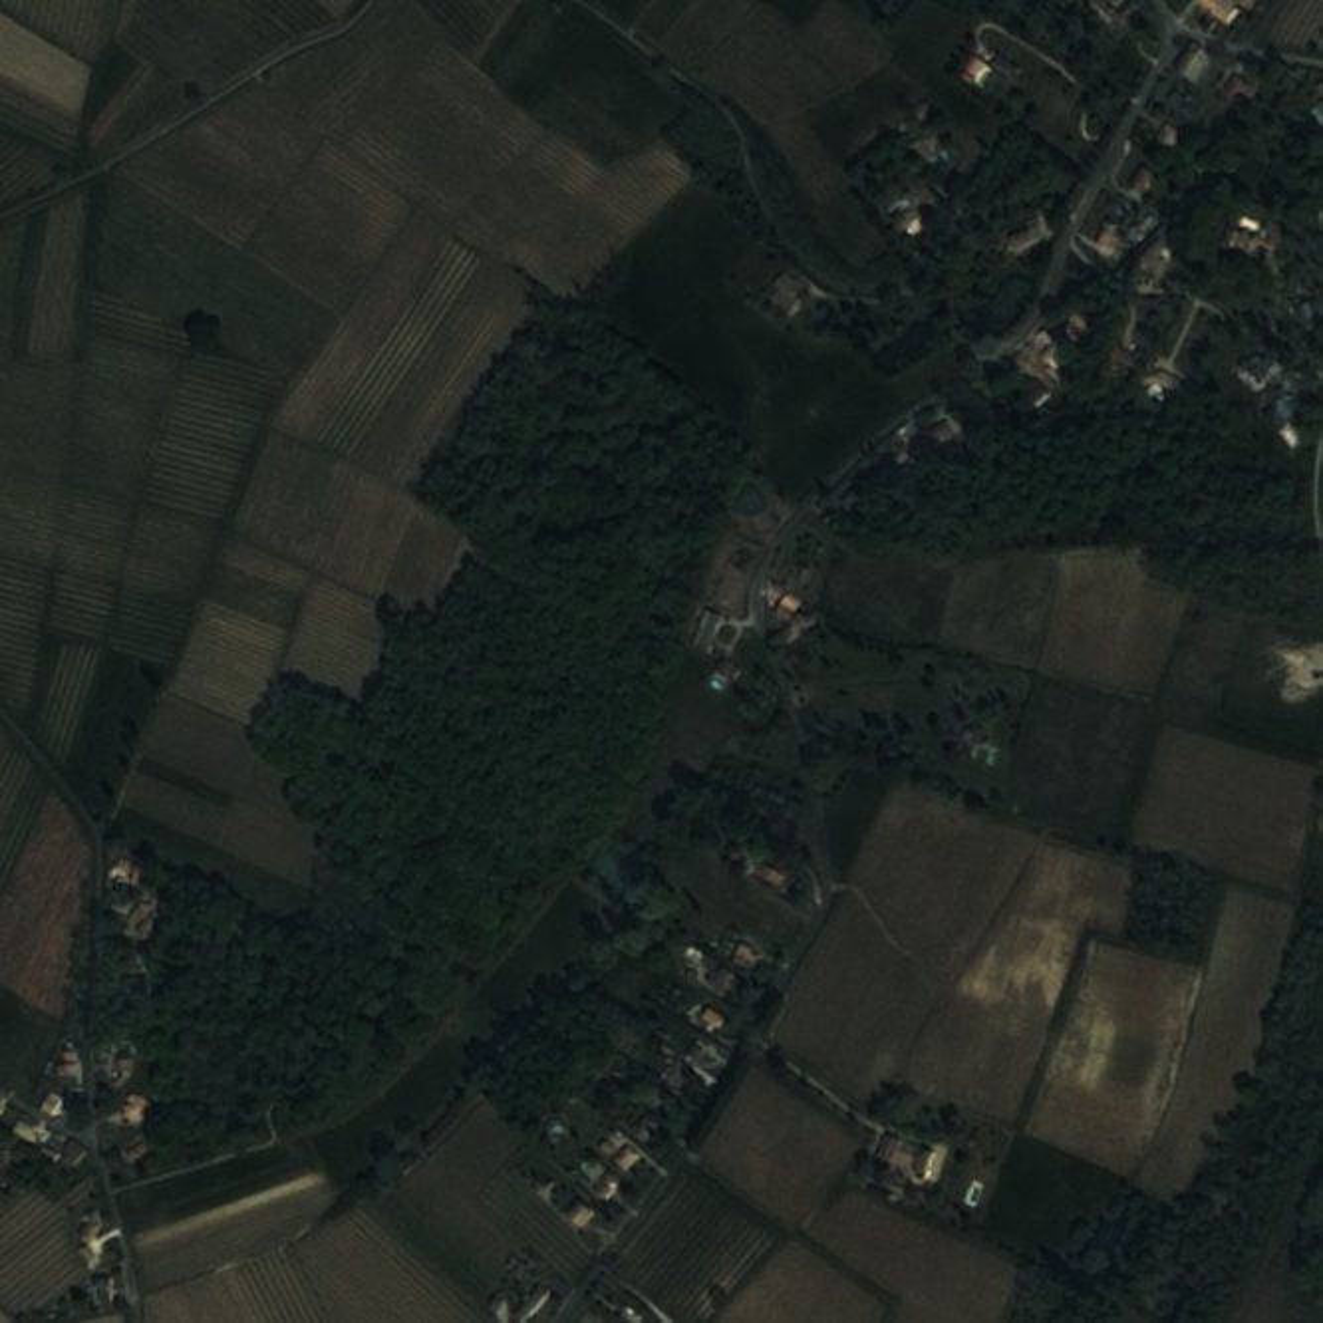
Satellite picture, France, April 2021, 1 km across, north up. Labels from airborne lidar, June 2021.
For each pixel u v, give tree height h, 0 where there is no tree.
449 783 19
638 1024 18
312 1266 0
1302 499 13
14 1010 0
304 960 20
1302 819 0
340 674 0
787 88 0
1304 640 0
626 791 23
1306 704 0
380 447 0
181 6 0
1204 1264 15
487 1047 0
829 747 12
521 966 0
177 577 0
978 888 0
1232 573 17
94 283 0
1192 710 0
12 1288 0
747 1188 0
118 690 0
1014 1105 0
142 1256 0
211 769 0
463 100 0
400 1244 0
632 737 24
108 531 0
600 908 0
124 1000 12
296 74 0
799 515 0
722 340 0
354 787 19
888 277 11
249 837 0
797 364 0
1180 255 19
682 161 12
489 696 26
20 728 0
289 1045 14
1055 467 16
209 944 24
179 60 0
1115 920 0
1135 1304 9
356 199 0
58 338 0
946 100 0
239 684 0
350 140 0
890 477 20
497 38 0
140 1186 0
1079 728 0
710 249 0
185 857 0
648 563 22
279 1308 0
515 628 23
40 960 0
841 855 0
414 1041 26
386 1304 0
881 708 0
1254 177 0
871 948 0
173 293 0
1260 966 0
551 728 20
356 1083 23
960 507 20
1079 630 0
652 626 19
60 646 0
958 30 0
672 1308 0
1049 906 0
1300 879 0
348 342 0
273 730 17
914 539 19
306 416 0
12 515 0
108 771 0
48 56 0
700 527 17
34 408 0
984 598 0
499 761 21
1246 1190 11
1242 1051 0
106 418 0
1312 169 15
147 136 0
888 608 0
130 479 0
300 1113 21
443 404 0
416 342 0
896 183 14
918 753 8
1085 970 0
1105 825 0
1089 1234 13
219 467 0
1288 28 0
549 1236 0
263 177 0
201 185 0
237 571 0
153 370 0
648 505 12
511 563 21
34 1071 0
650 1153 7
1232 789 0
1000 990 0
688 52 0
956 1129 22
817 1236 0
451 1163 0
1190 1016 0
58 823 0
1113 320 17
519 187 0
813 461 0
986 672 8
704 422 12
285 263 0
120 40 0
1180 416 10
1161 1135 0
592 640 23
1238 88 0
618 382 18
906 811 0
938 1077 0
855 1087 0
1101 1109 0
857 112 0
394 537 0
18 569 0
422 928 24
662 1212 0
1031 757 0
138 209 0
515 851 22
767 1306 0
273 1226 0
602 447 14
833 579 0
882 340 29
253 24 0
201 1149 15
